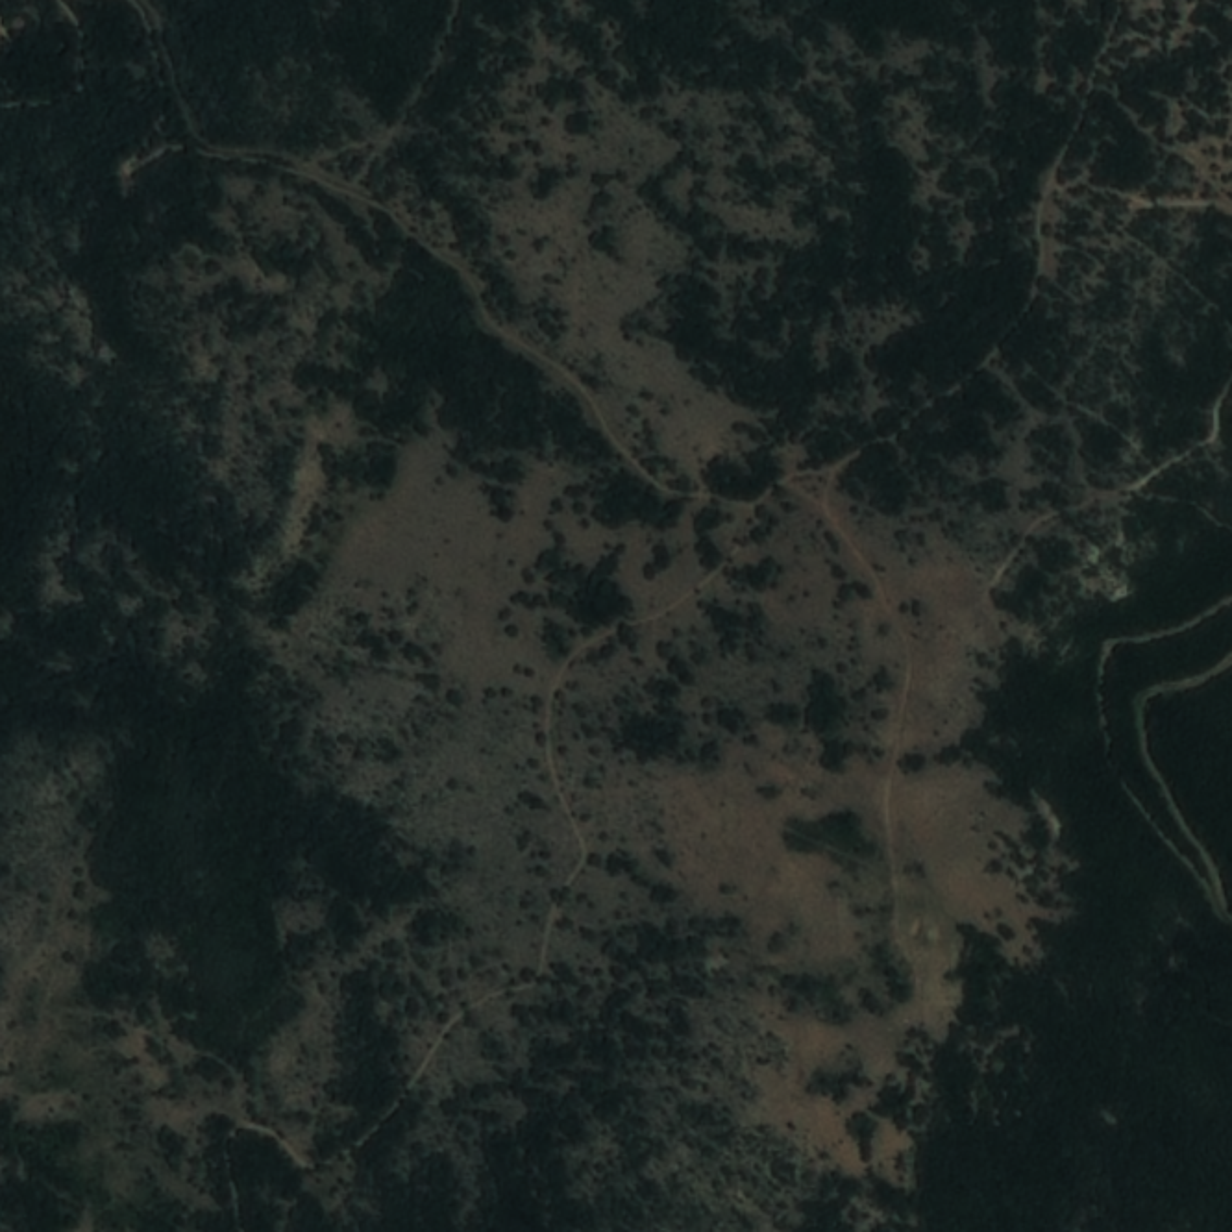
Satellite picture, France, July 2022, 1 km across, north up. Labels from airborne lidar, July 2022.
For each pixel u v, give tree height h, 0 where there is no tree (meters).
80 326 0
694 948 6
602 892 0
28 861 0
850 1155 0
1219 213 6
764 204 6
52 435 7
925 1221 6
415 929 8
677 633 6
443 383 6
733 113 6
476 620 0
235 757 8
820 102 7
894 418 8
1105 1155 6
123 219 7
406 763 0
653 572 6
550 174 7
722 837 0
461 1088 7
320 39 6
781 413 7
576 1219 6
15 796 0
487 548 0
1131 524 6
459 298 6
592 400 0
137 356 6
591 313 0
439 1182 6
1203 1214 10
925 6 7
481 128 7
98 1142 0
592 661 6
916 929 0
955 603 0
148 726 7
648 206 6
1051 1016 10
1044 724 8
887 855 0
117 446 8
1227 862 11
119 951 7
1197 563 7
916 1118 5
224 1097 0
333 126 8
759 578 6
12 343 8
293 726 8
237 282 6
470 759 0
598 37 7
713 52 6
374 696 0
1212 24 6
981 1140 9
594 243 8
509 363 6
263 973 6
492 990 0
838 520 0
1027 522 0
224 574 7
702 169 7
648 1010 6
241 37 6
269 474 6
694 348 9
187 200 5
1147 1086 11
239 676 9
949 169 6
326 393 8
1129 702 12
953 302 7
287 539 0
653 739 6
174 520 6
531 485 0
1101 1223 8
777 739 0
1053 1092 11
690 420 0
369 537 0
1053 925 7
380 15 10
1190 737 13
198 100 7
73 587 7
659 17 8
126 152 9
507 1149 7
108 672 6
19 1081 0
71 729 7
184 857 6
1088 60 6
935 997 0
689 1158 0
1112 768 9
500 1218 6
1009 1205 8
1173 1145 11
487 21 6
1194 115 6
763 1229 0
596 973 7
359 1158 7
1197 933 6
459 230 6
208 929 7
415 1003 6
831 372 7
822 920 0
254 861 8
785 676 0
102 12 6
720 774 0
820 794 0
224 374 7
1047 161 7
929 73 6
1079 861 6
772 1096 0
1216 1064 6
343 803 7
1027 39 7
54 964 0
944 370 8
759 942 0
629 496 7
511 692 7
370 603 0
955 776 0
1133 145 6
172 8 8
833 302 7
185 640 7
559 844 0
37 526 8
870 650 0
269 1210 6
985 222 6
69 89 7
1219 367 5
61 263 6
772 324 6
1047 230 6
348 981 6
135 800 7
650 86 10
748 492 8
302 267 5
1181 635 7
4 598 8
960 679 0
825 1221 8
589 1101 6
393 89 9
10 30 7
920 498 6
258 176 6
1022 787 8
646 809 0
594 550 0
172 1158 7
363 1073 7
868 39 7
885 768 0
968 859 0
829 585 0
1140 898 8
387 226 8
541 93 7
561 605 6
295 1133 0
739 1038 0
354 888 10
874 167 6
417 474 0
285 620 7
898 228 8
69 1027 0
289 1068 0
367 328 6
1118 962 8
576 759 0
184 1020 6
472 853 6
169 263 6
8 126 6
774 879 0
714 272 6
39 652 6
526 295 0
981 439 6
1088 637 12
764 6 7
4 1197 6
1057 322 6
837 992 0
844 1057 0
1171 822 12
